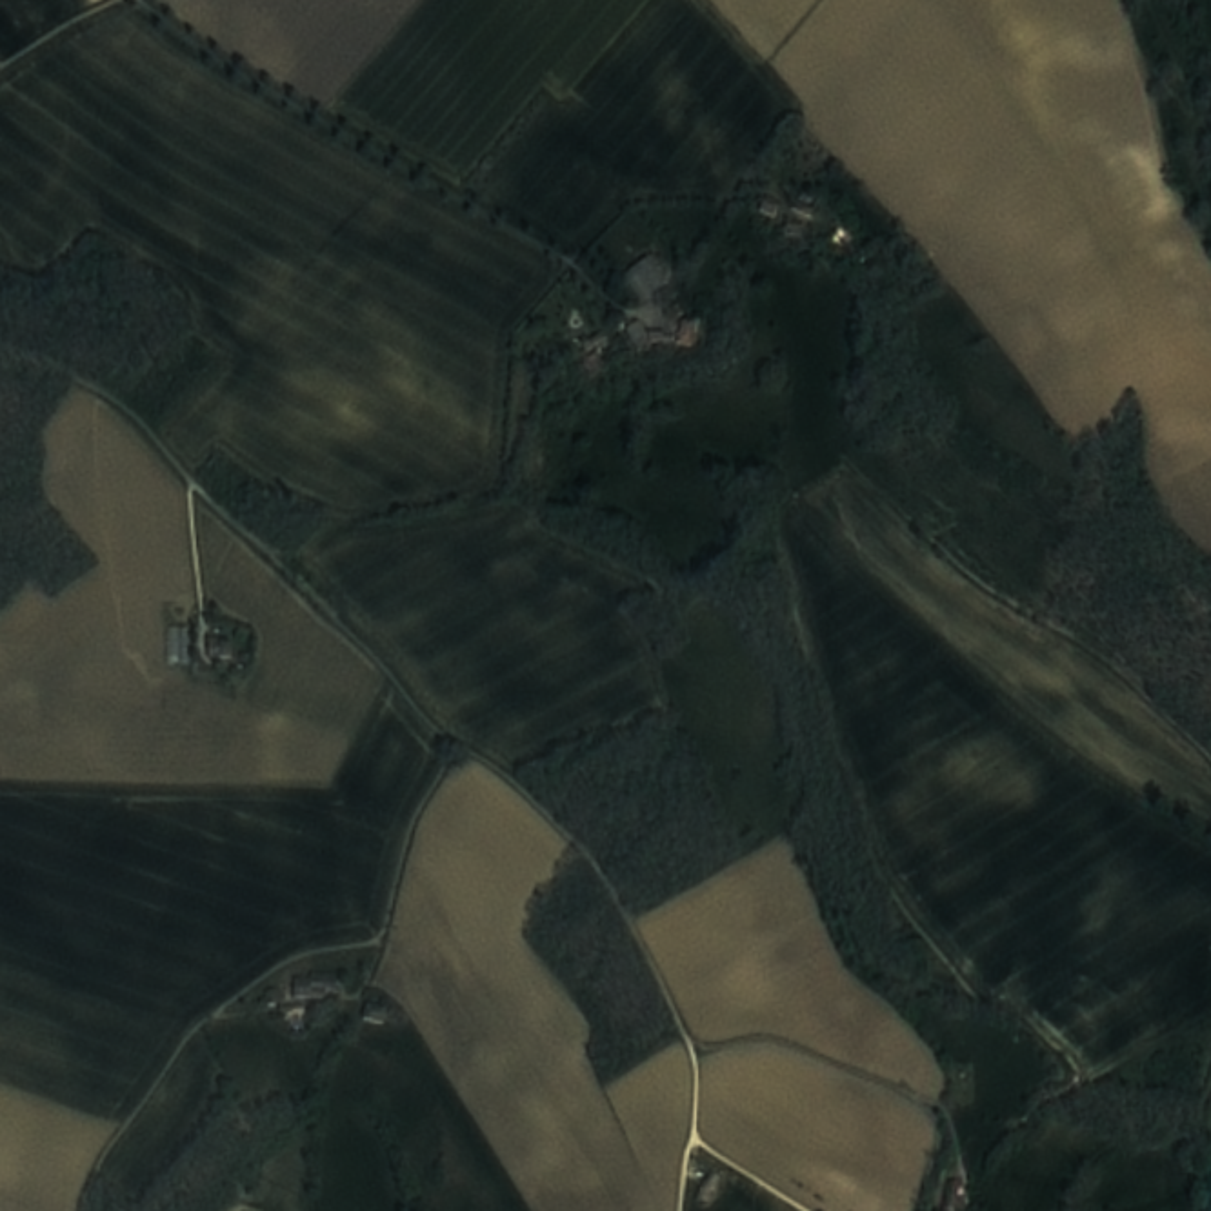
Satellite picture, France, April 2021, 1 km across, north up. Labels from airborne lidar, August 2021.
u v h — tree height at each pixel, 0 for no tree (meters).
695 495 0
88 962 0
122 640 0
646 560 16
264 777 0
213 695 0
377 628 0
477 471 0
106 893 0
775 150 13
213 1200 23
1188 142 17
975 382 0
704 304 6
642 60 0
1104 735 0
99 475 0
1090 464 17
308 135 0
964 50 0
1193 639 12
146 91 0
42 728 0
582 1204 0
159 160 0
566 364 16
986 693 0
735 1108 0
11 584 17
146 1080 0
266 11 0
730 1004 0
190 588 0
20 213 0
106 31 0
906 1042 0
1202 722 19
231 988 0
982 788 0
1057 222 0
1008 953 0
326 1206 0
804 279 0
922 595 0
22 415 15
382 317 0
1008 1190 0
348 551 0
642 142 0
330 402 0
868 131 0
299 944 0
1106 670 0
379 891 0
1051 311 0
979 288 0
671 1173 0
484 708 0
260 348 0
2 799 0
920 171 0
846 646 0
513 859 0
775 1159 0
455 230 0
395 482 0
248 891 0
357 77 0
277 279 0
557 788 15
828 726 24
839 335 0
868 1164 0
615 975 16
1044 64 0
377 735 0
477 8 0
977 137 0
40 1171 0
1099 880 0
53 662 0
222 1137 15
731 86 0
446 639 0
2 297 18
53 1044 0
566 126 0
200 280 0
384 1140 8
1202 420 0
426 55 0
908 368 19
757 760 0
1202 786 0
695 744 16
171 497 0
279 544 13
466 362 0
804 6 0
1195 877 0
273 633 0
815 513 0
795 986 0
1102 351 0
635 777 12
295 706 0
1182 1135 16
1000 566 0
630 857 19
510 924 0
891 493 0
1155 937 0
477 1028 0
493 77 0
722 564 20
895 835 0
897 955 20
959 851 0
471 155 0
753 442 0
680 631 15
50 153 0
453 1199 0
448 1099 0
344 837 0
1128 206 0
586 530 15
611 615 0
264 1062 0
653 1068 0
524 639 0
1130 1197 0
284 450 0
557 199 0
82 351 25
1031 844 0
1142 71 0
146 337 21
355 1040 13
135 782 0
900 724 0
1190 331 0
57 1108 0
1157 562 11
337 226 0
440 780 0
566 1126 0
